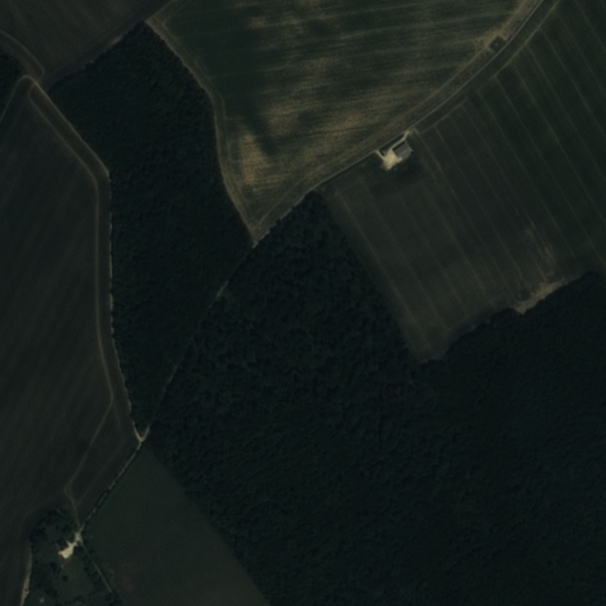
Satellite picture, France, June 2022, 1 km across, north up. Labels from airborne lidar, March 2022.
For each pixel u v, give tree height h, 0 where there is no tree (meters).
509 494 21
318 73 0
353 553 17
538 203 0
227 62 0
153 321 19
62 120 0
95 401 0
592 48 0
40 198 0
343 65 0
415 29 0
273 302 25
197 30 0
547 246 0
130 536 0
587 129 0
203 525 0
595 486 15
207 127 16
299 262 21
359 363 26
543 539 18
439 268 0
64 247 0
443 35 0
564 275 0
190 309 21
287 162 0
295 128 0
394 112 0
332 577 17
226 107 0
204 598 0
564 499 16
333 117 0
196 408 23
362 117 0
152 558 0
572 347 14
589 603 6
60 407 0
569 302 15
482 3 0
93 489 0
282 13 0
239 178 0
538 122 0
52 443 0
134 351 19
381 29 0
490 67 0
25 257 0
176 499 0
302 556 12
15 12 0
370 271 0
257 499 11
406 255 0
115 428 0
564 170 0
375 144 0
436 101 0
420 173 0
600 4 0
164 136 18
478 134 0
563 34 0
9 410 0
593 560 13
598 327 14
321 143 0
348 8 0
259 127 0
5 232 0
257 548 22
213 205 21
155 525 0
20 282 0
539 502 18
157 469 0
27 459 0
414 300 0
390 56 0
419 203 0
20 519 0
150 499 0
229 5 0
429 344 0
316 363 0
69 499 0
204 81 0
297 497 18
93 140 13
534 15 0
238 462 13
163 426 19
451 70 0
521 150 0
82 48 0
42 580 8
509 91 0
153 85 21
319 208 18
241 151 0
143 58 21
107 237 0
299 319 22
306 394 24
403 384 27
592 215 0
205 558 0
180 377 13
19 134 0
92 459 0
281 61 0
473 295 0
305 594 16
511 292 0
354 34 0
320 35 0
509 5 0
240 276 20
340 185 0
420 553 0
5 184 0
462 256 0
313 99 0
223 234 20
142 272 17
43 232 0
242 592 0
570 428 17
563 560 21
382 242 0
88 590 0
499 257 0
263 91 0
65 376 0
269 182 0
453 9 0
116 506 0
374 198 0
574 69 0
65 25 0
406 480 23
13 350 0
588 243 0
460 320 0
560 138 0
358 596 21
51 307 0
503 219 0
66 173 0
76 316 0
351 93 0
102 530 0
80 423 0
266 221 0
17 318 0
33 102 0
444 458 24
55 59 0
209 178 19
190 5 0
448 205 0
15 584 0
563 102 0
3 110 7
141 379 19
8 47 0
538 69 0
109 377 0
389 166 0
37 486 0
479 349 16
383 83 0
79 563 0
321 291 21
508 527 17
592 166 0
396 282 0
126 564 0
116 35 0
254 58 0
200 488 13
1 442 0
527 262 0
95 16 0
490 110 0
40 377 0
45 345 0
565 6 0
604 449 19
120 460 0
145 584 0
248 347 23
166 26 0
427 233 0
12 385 0
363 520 19
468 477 22
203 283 20
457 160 0
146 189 19
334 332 23
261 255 23
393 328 17
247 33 0
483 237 0
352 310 16
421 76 0
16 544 0
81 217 0
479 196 0
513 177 0
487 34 0
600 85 0
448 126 0
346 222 0
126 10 0
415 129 0
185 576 0
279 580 15
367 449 15
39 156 0
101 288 0
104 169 0
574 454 17
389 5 0
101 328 0
